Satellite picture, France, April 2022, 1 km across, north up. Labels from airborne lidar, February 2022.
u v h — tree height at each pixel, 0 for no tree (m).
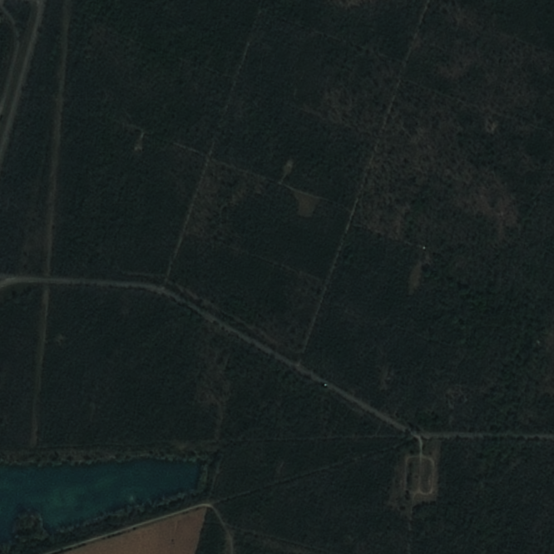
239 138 11
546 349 15
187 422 8
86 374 10
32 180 12
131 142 6
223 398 13
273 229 11
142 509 16
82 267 9
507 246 8
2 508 0
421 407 11
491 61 12
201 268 7
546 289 17
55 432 8
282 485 12
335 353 10
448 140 15
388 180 9
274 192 9
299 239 7
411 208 16
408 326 11
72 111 9
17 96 0
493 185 6
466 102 16
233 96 12
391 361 10
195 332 15
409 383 11
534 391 14
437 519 12
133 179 6
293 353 0
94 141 10
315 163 6
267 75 9
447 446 11
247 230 9
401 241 12
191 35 9
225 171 13
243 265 6
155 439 8
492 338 15
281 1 10
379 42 9
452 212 13
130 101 9
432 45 12
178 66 8
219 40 8
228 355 14
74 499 0
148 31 10
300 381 11
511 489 7
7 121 0
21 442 11
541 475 8
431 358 12
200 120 11
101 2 10
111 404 8
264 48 12
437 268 14
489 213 6
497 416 16
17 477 0
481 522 12
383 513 7
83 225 5
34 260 0
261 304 7
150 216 9
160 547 0
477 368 11
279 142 11
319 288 0
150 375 10
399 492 0
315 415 12
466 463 9
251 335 13
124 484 0
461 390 7
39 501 0
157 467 0
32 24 0
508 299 12
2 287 0
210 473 11
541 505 7
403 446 7
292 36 9
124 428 9
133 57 13
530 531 10
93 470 0
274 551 10
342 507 11
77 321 9
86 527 7
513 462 12
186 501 9
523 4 6
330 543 7
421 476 0
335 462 6
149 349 12
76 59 11
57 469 0
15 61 0
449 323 12
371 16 12
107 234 10
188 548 0
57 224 11
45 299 0
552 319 15
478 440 14
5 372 13
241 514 7
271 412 14
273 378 13
